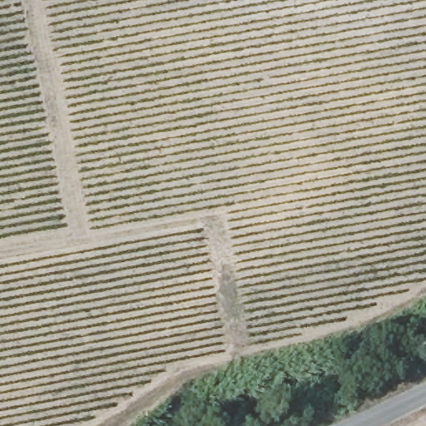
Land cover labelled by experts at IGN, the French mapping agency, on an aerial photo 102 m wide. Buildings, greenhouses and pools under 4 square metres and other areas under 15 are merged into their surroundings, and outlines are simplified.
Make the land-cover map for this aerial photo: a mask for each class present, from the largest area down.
<instances>
[{"label":"vineyard","instance_id":"1","mask_svg":"<svg viewBox=\"0 0 426 426\"><path fill-rule=\"evenodd\" d=\"M426 298V0H0V426H131L138 419L145 418L151 411H155L173 394L178 393L186 381L200 378L206 369L210 373L218 374L221 366H225L233 359H240L241 356L280 349L288 344L308 343L313 339L324 338L328 334L343 331L353 333L364 328L369 321H383L386 318L403 315L404 311L413 308L414 301Z\"/></svg>","mask_w":426,"mask_h":426},{"label":"deciduous trees","instance_id":"2","mask_svg":"<svg viewBox=\"0 0 426 426\"><path fill-rule=\"evenodd\" d=\"M393 339L401 341V349L413 351L419 354V358L426 359V298L414 301L413 308L404 311L403 315L386 318L383 321H369L364 328L353 333L343 331L328 334L324 338L313 339L308 343L288 344L280 349L241 356L240 359H233L225 366H221L218 374L210 373L206 369L200 378L186 381L178 393L173 394L155 411H151L145 418L138 419L131 426H223L221 419L218 418L220 404L226 399L238 398L241 393L255 398L256 411H260L255 419L246 416L245 426H308L313 416L311 404L303 408L300 416H291L286 409L290 404L291 394L298 388H311L316 383H321L329 374L338 376L336 403L341 404L338 416L343 418H348L349 413L354 411H361L363 401L356 398L358 389L378 391L388 379L404 376L403 361L389 353L388 346L393 343Z\"/></svg>","mask_w":426,"mask_h":426},{"label":"herbaceous vegetation","instance_id":"3","mask_svg":"<svg viewBox=\"0 0 426 426\"><path fill-rule=\"evenodd\" d=\"M389 353L403 361L404 376L388 379L378 391L358 389L356 398L363 401L361 411L371 408L378 399H383L391 391L403 393L411 384L421 383L426 379V359L419 358V354L413 351L401 349V341L393 339V343L388 346ZM338 376L329 374L321 383H316L311 388H298L291 394L290 404L286 409L291 416H300L303 408L311 404L313 416L308 426H329L343 418L338 416L341 404L336 403ZM260 411H256L255 398L241 393L238 398L226 399L220 404L218 418L221 419L223 426H245L246 416L255 419ZM384 426H426V406H418L413 411L401 414Z\"/></svg>","mask_w":426,"mask_h":426},{"label":"impervious surface","instance_id":"4","mask_svg":"<svg viewBox=\"0 0 426 426\"><path fill-rule=\"evenodd\" d=\"M418 406H426V379L421 383L411 384L403 393L391 391L383 399H378L371 408L361 411H354L349 413L348 418H343L329 426H384L401 414L413 411Z\"/></svg>","mask_w":426,"mask_h":426}]
</instances>
